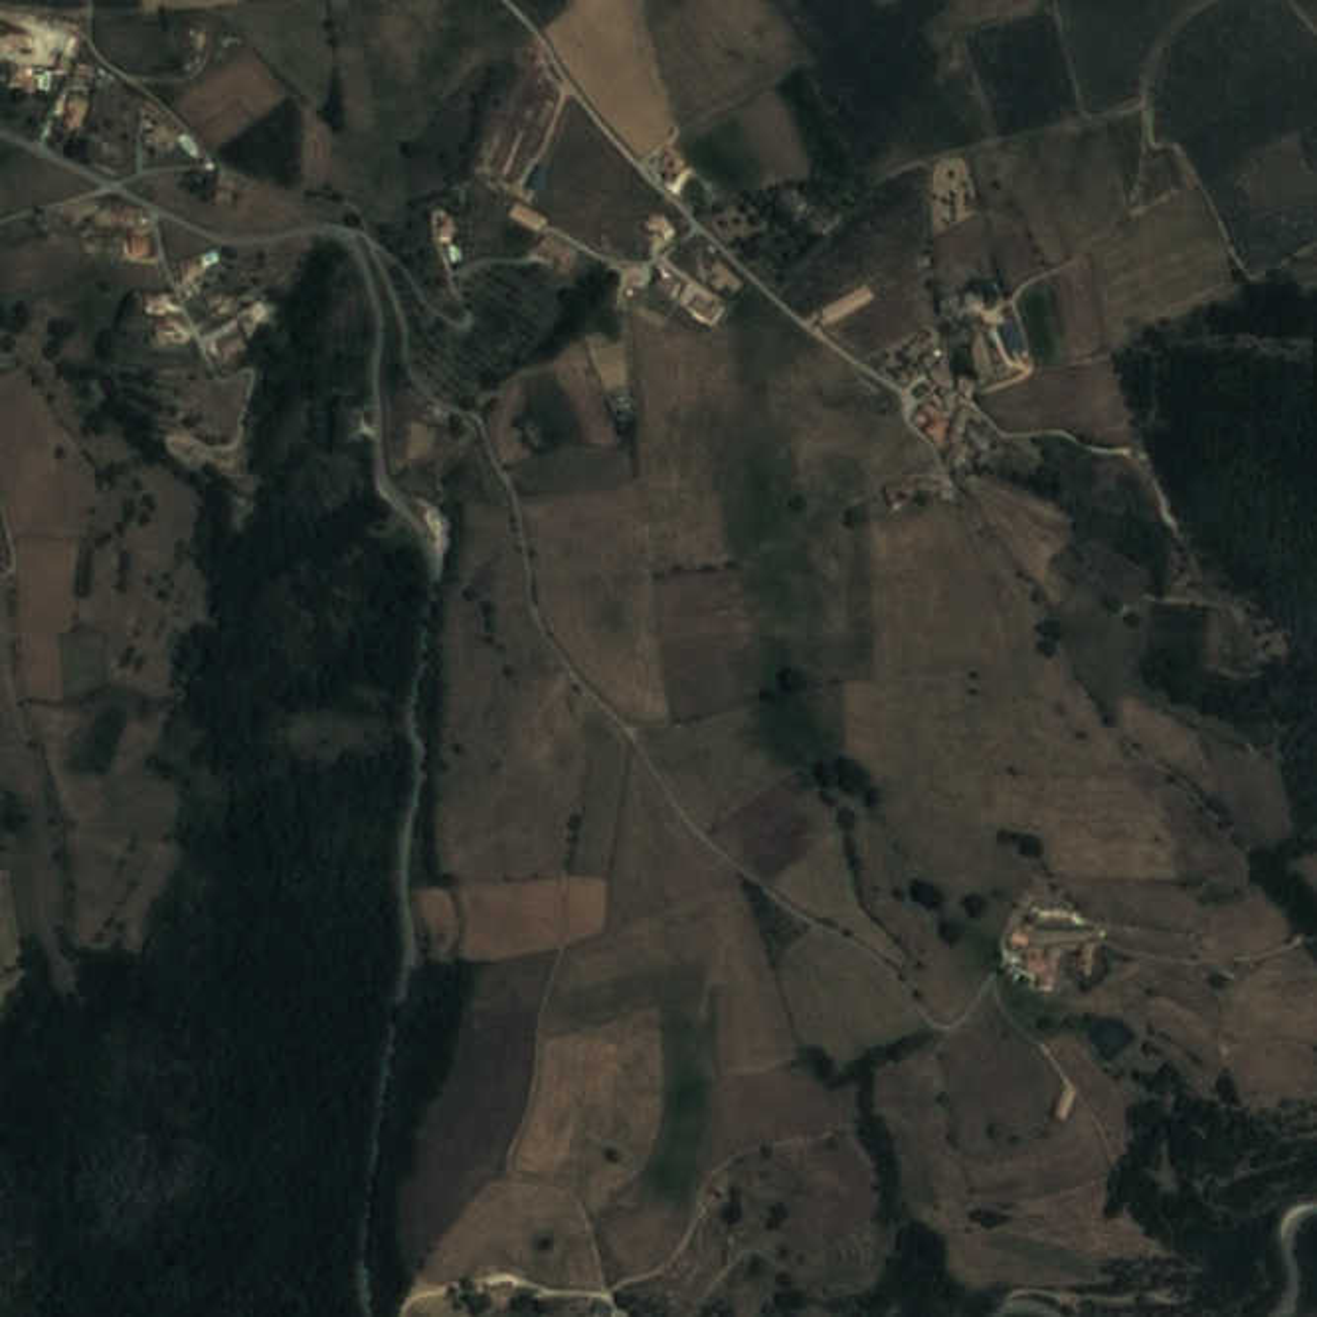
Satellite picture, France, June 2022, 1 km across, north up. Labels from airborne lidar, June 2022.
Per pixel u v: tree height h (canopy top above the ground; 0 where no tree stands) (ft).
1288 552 32
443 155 24
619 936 0
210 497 52
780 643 0
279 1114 40
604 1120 0
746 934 0
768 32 0
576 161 0
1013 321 0
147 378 31
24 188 0
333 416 41
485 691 0
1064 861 0
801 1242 0
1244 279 33
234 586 53
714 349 0
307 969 37
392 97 0
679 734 0
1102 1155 0
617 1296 36
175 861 0
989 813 0
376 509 39
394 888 22
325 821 23
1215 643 0
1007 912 0
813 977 0
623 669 0
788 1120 0
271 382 35
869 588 0
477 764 0
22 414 0
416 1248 0
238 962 47
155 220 0
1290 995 0
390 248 23
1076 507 23
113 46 0
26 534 0
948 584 0
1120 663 0
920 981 0
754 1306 0
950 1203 0
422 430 0
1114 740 0
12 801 35
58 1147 21
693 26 0
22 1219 41
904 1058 50
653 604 0
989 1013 0
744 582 0
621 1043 0
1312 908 32
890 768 0
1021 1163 0
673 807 0
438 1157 0
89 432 29
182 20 0
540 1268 0
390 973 35
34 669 0
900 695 0
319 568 24
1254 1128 49
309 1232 40
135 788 0
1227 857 0
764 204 29
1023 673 0
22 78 0
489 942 0
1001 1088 0
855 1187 0
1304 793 18
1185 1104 44
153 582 25
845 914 0
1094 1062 0
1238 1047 0
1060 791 0
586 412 0
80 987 30
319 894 45
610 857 0
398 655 44
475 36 0
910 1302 22
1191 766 0
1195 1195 45
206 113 0
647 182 0
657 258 0
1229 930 0
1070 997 0
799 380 0
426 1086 38
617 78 0
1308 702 32
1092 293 0
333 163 0
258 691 22
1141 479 0
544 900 0
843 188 22
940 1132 0
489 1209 0
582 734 0
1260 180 0
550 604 0
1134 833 0
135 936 0
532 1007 0
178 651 32
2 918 0
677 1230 0
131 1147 28
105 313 0
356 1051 43
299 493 30
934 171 0
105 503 0
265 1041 38
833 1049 0
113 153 0
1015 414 0
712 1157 0
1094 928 0
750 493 0
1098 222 0
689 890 0
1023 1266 0
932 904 93
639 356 0
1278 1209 19
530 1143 0
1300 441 53
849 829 25
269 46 0
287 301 19
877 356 0
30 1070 47
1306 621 29
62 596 0
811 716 0
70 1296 71
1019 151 0
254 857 56
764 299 0
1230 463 42
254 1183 24
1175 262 0
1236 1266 27
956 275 0
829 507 0
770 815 0
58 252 0
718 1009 0
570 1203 0
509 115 0
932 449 0
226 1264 41
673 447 0
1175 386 27
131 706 0
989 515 0
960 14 0
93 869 0
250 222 0
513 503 0
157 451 37
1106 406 0
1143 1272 23
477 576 0
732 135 0
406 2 0
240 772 53
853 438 0
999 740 0
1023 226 0
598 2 0
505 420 0
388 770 36
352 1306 34
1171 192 0
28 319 44
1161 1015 0
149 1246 44
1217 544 29
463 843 0
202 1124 47
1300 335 33
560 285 0
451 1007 36
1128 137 0
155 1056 36
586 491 0
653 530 0
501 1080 0
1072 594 0
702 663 0
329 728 0
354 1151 45
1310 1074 0
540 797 0
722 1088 0
